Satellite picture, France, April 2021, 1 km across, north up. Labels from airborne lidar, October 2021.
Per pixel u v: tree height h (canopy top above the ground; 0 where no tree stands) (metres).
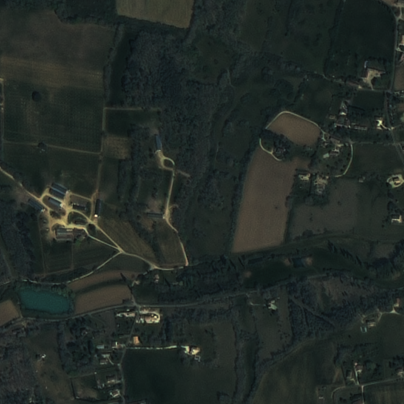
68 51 0
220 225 0
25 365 16
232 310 16
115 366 7
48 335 0
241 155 0
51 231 0
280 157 10
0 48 0
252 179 0
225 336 0
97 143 0
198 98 15
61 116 0
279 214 0
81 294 0
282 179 0
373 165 0
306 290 17
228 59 0
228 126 16
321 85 0
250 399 16
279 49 0
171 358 0
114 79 0
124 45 0
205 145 20
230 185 0
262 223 0
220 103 14
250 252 0
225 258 8
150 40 16
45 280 10
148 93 14
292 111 7
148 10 0
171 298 8
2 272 13
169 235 0
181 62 21
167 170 0
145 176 15
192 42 7
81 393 0
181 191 13
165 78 23
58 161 0
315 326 16
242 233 0
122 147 0
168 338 14
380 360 0
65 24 14
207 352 0
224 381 0
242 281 15
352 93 6
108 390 6
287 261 0
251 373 0
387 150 0
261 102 0
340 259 0
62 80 0
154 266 0
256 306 0
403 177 0
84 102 0
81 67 0
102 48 0
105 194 0
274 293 13
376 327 0
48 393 0
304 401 0
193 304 0
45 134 0
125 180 20
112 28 11
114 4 6
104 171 0
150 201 0
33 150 0
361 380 13
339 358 13
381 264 0
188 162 11
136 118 0
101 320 0
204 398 0
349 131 7
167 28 8
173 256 0
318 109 0
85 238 9
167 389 0
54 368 0
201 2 18
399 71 0
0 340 16
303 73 6
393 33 9
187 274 10
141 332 10
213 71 0
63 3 16
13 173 19
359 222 0
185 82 19
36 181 0
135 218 12
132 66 14
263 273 0
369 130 10
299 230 0
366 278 7
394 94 7
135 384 0
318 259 0
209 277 11
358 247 0
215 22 22
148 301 0
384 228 9
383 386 0
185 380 0
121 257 0
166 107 17
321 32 0
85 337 7
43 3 23
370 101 0
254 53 12
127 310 6
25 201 0
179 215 15
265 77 9
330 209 0
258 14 0
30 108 0
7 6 23
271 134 15
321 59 0
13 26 0
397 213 7
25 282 9
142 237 15
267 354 0
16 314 0
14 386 13
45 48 0
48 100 0
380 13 0
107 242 0
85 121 0
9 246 19
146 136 12
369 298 12
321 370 0
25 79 0
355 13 0
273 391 0
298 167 0
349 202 0
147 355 0
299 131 0
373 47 0
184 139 15
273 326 0
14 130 0
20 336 16
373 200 0
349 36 0
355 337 0
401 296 9
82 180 0
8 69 0
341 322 20
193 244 0
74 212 0
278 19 0
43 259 0
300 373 0
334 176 15
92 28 0
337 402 0
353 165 0
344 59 0
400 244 9
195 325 12
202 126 14
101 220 0
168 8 0
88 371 19
